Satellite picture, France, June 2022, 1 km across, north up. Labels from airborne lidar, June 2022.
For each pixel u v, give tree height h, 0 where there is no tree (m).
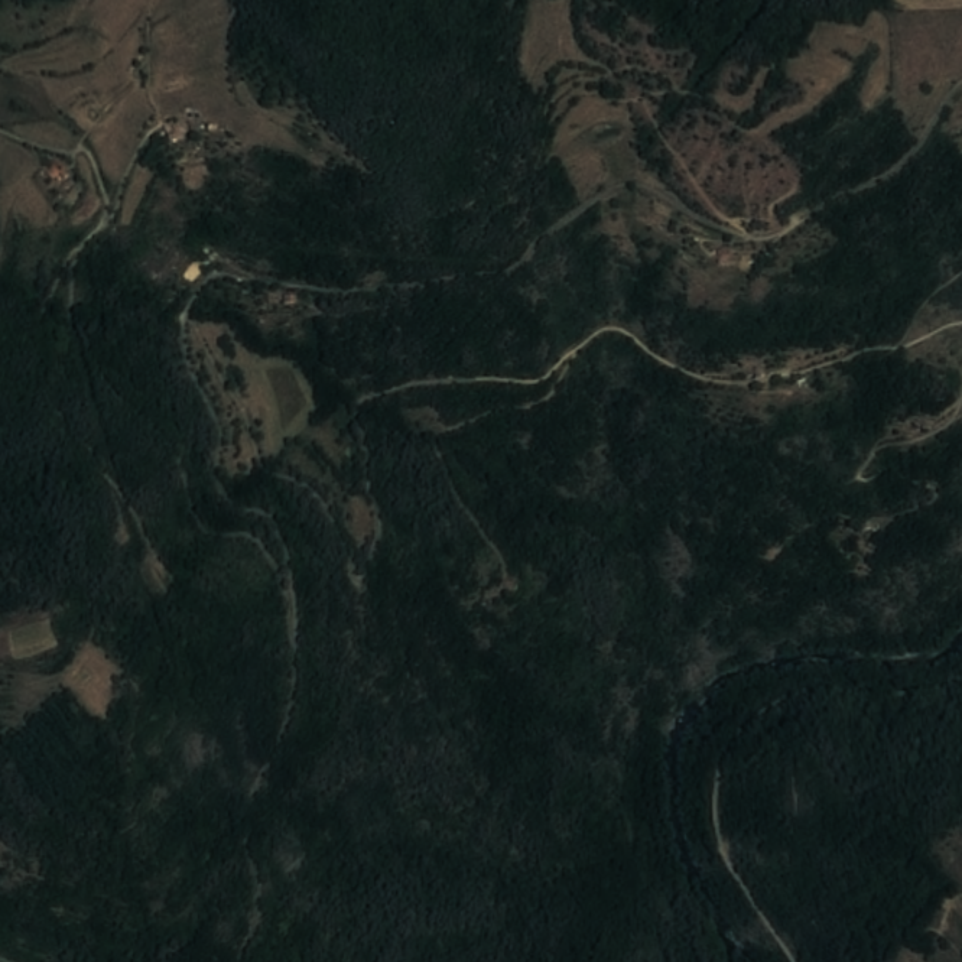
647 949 16
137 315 16
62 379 19
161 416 14
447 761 10
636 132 10
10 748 15
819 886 6
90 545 11
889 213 13
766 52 15
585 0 14
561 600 13
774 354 10
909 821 11
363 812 9
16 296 11
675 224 10
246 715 11
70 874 10
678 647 7
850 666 14
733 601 7
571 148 0
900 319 6
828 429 8
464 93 13
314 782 20
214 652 6
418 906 18
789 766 14
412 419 0
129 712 9
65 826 10
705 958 14
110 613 15
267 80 12
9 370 22
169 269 0
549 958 16
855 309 9
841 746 15
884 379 14
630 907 17
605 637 17
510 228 13
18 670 0
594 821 18
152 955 8
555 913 19
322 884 12
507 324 14
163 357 20
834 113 9
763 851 11
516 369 7
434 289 17
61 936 11
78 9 0
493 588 8
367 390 7
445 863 13
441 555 7
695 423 9
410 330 17
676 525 9
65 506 17
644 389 7
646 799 18
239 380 12
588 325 5
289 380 0
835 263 8
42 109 0
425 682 8
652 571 12
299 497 7
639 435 8
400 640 10
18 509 24
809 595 10
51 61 0
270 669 12
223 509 16
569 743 8
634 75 10
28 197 0
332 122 15
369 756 10
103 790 7
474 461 17
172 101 0
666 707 9
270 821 10
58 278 7
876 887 7
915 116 0
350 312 16
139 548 6
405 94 15
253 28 15
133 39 0
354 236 10
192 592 7
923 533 11
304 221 9
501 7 21
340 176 11
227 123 0
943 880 9
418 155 13
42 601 10
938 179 11
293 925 16
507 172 15
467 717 11
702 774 11
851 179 11
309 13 16
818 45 0
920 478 9
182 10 0
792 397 0
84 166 0
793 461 10
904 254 8
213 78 0
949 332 0
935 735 17
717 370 7
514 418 12
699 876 14
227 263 0
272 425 0
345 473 10
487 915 12
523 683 11
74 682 0
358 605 11
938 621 8
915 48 0
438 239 14
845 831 10
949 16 0
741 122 10
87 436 12
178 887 6
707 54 15
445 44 16
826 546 17
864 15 10
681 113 6
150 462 10
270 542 10
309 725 9
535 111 15
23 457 17
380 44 10
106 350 13
